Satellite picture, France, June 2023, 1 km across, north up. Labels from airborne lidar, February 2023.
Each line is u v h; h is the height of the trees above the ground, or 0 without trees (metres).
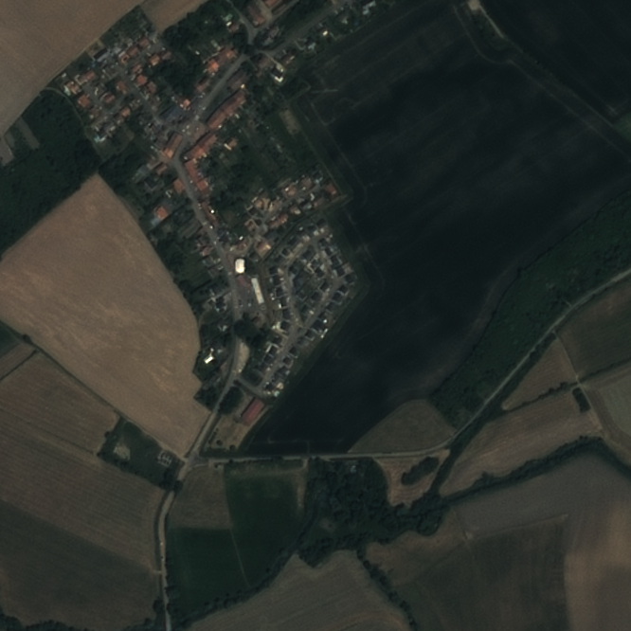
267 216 0
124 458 0
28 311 0
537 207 0
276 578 0
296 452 0
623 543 0
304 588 0
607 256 16
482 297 0
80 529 0
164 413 0
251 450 0
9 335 0
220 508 0
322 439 0
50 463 0
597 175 0
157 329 0
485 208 0
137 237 0
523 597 0
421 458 0
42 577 0
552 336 8
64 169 7
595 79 0
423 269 0
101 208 0
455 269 0
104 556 0
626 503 0
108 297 0
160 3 0
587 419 0
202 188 0
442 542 0
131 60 0
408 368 0
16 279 0
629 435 0
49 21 0
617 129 0
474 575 0
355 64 0
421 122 0
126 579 0
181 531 0
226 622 0
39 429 0
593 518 0
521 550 0
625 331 0
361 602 0
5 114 0
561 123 0
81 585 0
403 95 0
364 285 0
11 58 0
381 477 8
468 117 0
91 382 0
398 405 0
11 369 0
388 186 0
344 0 0
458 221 0
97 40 0
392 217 0
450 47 0
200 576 0
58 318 0
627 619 0
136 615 0
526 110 0
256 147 0
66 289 0
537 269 6
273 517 0
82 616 0
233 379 0
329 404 0
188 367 0
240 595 9
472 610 0
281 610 0
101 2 0
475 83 0
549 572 0
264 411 0
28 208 8
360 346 0
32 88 0
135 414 0
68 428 0
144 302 0
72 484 0
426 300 0
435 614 0
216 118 0
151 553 0
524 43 0
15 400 0
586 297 0
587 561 0
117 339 0
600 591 0
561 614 0
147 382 0
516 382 7
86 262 0
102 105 0
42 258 0
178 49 5
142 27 0
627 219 6
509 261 0
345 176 0
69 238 0
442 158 0
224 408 16
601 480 0
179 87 10
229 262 0
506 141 0
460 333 0
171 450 0
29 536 0
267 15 0
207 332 12
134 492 0
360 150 0
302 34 0
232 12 6
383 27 0
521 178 0
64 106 7
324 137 0
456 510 0
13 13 0
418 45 0
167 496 0
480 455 0
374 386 0
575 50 0
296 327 0
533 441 0
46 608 0
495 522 0
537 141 0
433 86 0
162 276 0
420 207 0
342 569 0
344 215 0
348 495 21
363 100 0
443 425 0
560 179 0
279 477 0
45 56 0
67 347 0
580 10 0
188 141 0
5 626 11
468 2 0
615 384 0
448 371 0
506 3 0
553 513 0
